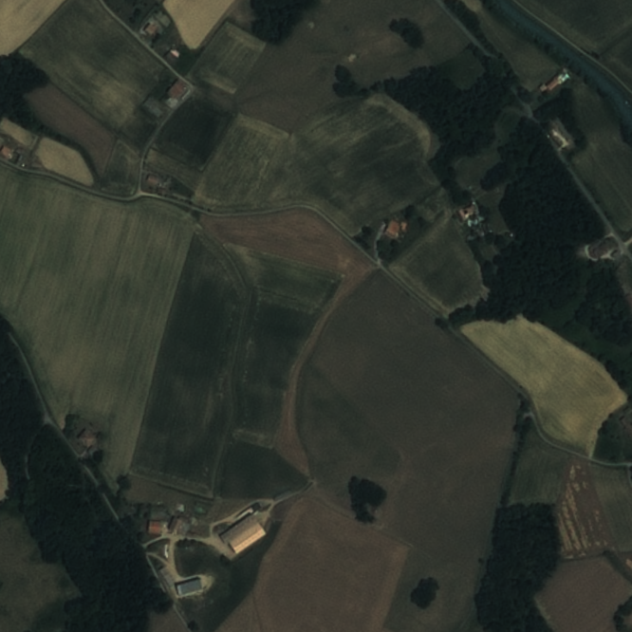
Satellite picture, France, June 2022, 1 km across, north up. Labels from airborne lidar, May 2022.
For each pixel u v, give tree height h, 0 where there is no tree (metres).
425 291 0
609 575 0
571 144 0
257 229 0
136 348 0
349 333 0
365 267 0
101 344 0
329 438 0
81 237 0
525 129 18
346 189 0
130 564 22
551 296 26
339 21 0
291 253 0
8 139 0
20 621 0
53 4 0
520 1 0
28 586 0
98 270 0
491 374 0
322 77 0
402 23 11
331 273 0
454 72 0
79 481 7
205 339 0
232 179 0
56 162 0
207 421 0
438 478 0
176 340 0
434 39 0
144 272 0
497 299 25
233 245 0
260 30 21
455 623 0
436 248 0
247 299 0
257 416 0
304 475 0
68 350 0
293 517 0
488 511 0
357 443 0
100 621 9
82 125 0
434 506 0
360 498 16
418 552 0
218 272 0
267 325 0
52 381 0
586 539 0
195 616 0
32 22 0
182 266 0
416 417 0
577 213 29
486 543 0
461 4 11
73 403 0
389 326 0
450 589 0
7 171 0
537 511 6
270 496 0
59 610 0
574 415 0
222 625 0
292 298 0
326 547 0
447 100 16
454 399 0
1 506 16
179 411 0
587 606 0
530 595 26
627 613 9
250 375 0
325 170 0
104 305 0
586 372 0
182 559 0
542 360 0
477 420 0
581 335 0
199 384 0
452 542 0
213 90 0
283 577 0
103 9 0
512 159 13
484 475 0
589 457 0
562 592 0
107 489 19
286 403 0
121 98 0
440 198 0
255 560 0
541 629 24
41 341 0
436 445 0
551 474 0
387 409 0
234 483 0
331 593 0
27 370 0
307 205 0
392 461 0
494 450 0
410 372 0
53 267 0
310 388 0
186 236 0
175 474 0
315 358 0
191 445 0
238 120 0
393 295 0
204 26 0
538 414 0
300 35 0
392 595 0
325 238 0
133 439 0
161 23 0
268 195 0
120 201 0
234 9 0
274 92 0
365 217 0
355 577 0
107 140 0
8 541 0
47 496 6
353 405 0
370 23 0
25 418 21
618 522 0
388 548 0
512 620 11
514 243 11
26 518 9
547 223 30
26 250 0
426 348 0
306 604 0
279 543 0
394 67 0
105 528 26
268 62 0
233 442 0
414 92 19
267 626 0
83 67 0
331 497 0
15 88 26
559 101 15
